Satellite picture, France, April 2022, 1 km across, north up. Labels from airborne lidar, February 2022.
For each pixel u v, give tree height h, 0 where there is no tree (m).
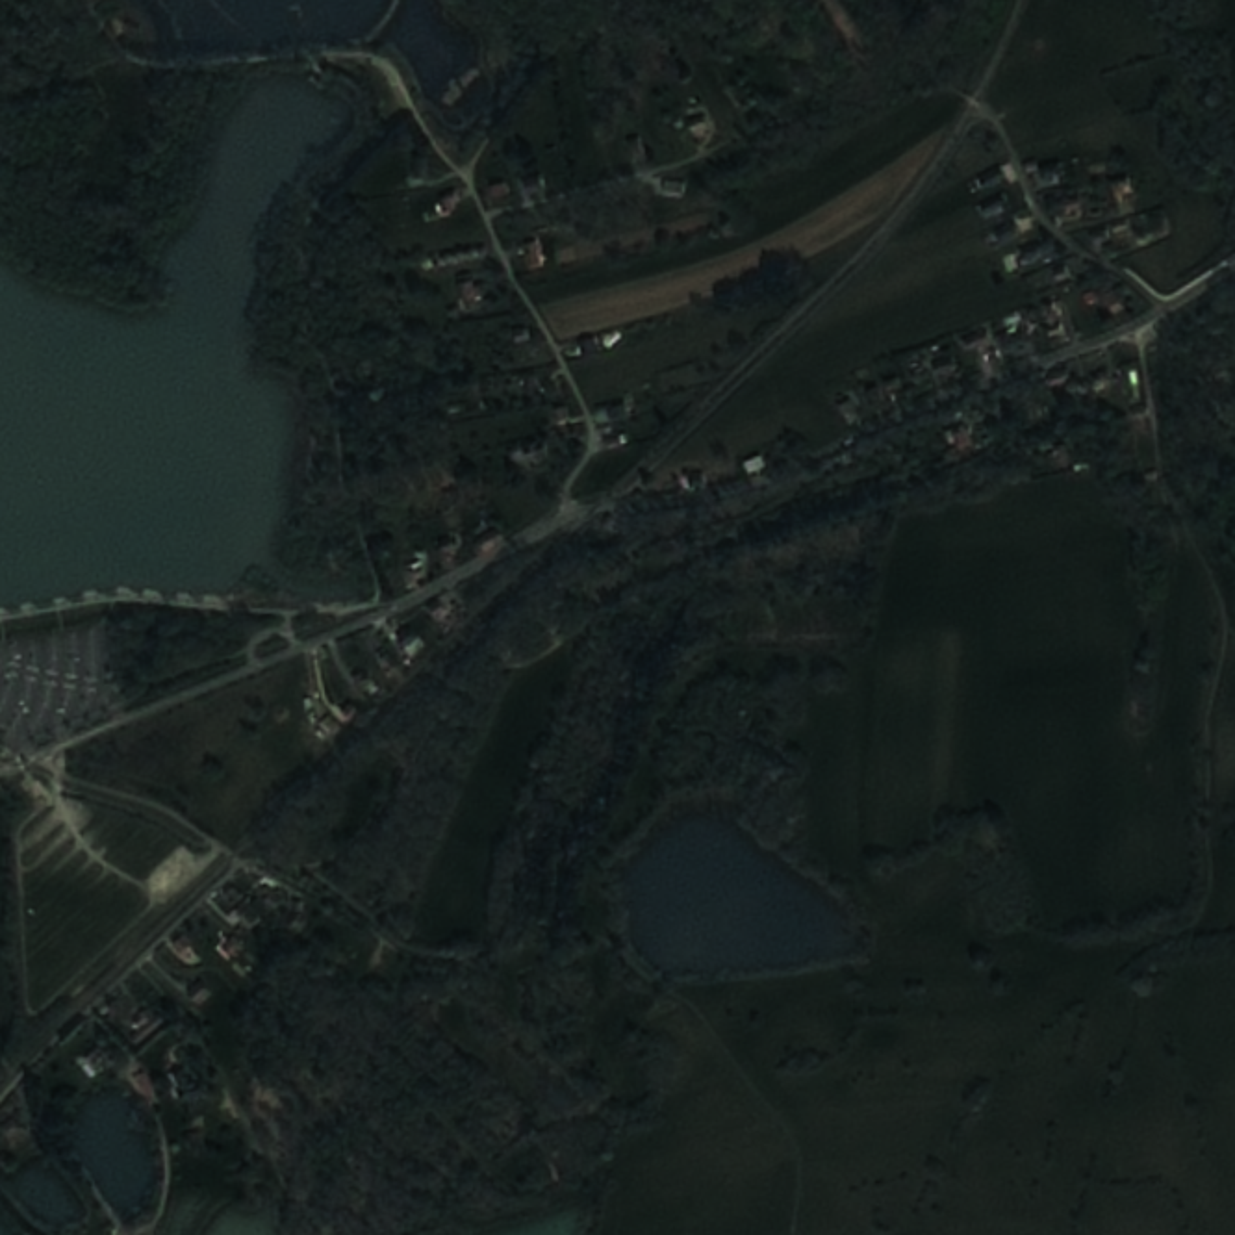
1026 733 0
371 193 0
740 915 0
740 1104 0
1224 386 19
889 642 0
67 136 26
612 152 0
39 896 0
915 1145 0
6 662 0
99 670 0
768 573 21
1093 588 0
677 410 0
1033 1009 0
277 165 0
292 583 0
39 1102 8
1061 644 0
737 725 14
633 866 0
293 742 0
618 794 25
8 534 0
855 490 0
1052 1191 0
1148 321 0
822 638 0
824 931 0
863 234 0
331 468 20
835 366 0
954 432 0
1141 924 19
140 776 0
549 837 19
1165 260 0
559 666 0
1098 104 0
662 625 17
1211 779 0
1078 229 0
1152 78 0
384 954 0
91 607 0
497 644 16
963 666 0
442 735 21
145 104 0
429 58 0
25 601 0
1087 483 0
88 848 0
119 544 0
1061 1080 0
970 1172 0
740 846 0
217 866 0
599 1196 11
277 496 0
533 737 0
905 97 15
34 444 0
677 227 0
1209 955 8
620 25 26
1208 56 12
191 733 0
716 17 24
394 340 23
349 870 15
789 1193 0
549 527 0
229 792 0
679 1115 0
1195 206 0
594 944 7
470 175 0
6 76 20
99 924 0
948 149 0
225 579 0
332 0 0
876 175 0
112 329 0
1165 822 0
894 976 0
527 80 19
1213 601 0
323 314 23
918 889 0
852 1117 0
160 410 0
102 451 0
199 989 0
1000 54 0
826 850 0
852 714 0
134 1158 0
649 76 10
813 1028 0
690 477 0
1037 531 0
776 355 0
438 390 26
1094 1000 0
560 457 10
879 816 0
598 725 19
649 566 0
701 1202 0
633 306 0
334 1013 22
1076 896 0
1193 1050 0
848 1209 0
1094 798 0
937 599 0
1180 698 0
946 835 16
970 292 0
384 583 9
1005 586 0
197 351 0
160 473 0
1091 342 0
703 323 0
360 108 15
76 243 23
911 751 0
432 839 19
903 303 0
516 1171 0
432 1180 16
